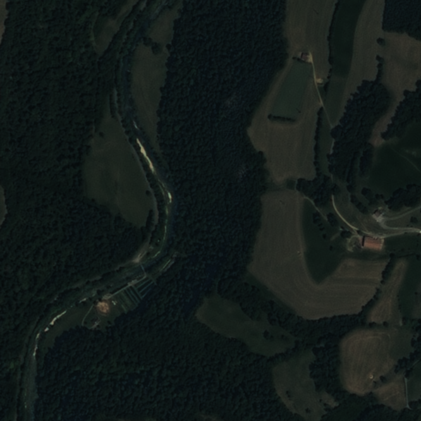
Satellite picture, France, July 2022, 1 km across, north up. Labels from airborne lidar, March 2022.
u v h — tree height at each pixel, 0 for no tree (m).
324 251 0
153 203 0
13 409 18
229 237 20
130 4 0
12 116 32
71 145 34
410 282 0
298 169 0
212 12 21
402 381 0
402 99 0
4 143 33
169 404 43
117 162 0
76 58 31
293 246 0
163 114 23
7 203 19
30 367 0
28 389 0
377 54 0
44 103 34
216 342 26
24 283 28
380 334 0
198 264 32
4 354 26
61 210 28
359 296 0
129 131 18
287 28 0
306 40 0
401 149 0
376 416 20
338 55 0
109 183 0
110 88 17
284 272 0
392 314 0
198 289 32
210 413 33
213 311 0
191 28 25
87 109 12
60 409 25
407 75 0
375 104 22
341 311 0
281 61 21
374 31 0
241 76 19
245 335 0
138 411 32
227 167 16
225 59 30
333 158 19
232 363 32
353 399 19
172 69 26
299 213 0
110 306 0
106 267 28
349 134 28
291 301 0
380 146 0
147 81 0
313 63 0
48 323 0
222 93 19
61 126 28
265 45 22
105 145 0
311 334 25
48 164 26
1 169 11
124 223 25
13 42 31
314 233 0
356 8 0
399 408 0
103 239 34
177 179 16
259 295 22
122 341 31
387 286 0
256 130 0
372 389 0
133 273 0
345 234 14
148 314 29
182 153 24
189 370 30
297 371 0
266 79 27
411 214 0
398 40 0
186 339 18
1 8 0
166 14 0
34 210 9
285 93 0
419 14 17
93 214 24
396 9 19
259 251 0
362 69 0
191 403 27
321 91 0
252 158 24
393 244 0
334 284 0
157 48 24
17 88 10
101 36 0
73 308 0
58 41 29
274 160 0
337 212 0
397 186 0
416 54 0
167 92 12
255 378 32
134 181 0
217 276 21
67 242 26
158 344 23
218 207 27
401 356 0
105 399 29
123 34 18
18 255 30
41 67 32
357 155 18
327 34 0
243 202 26
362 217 0
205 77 16
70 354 34
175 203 0
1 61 23
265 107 0
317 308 0
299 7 0
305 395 0
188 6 25
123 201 0
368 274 0
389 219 0
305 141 0
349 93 0
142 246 0
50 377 29
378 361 0
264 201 0
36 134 33
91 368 33
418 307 0
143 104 0
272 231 0
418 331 14
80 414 23
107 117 0
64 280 23
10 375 21
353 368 0
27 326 21
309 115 0
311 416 0
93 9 23
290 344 0
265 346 0
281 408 24
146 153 0
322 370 21
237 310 0
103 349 32
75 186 18
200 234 26
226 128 21
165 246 0
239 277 22
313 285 0
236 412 24
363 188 0
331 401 0
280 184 0
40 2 32
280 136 0
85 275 22
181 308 29
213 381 36
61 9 30
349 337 0
